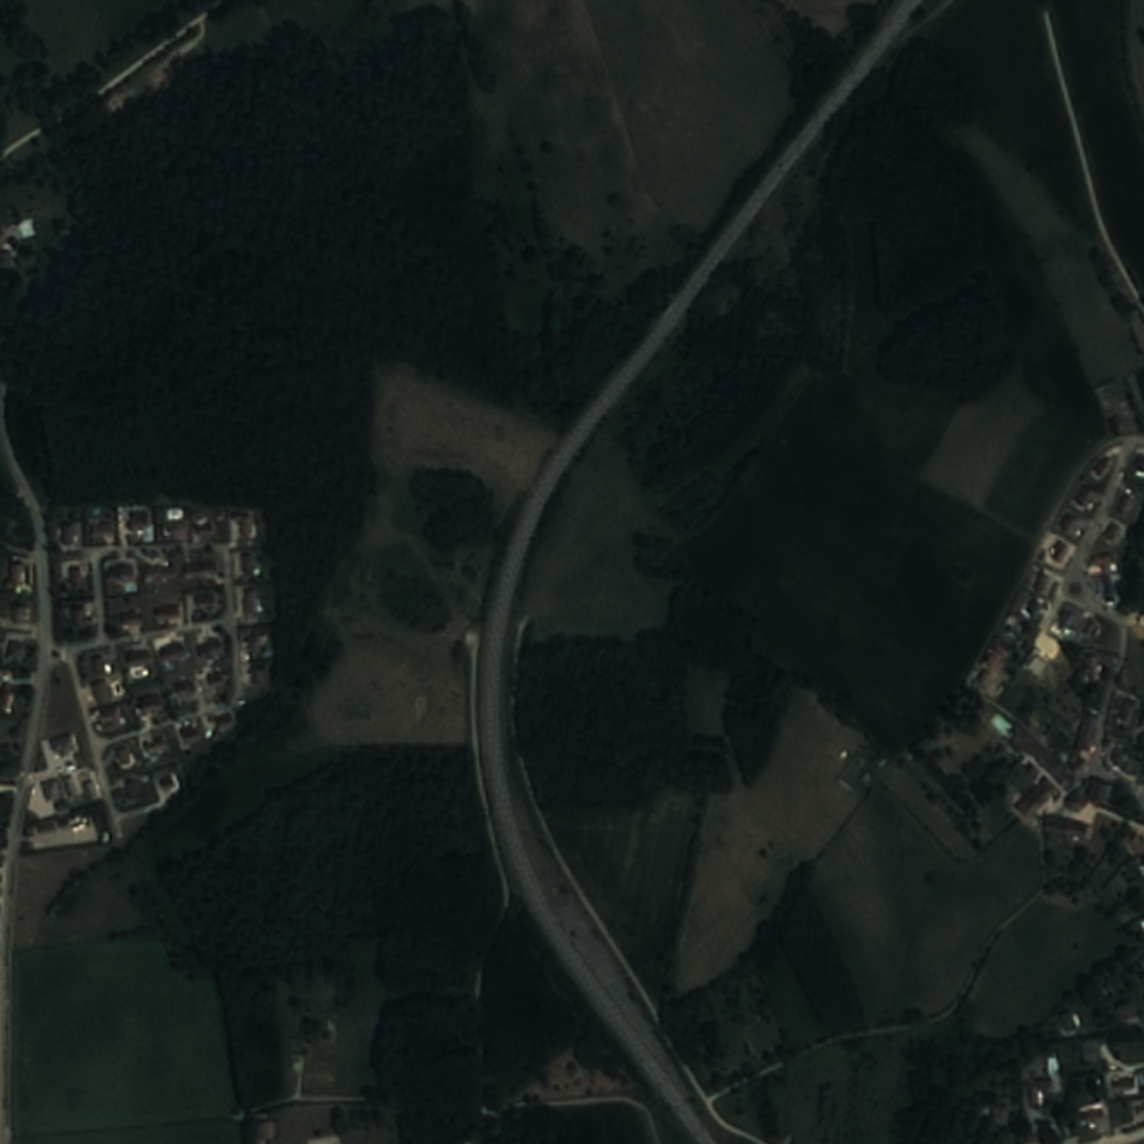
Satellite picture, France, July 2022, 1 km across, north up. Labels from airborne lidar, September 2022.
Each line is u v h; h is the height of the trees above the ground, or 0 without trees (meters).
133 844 6
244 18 0
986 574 0
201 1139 0
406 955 26
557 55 0
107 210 10
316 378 12
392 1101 23
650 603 0
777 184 0
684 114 0
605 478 0
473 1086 16
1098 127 0
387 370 0
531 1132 18
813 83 13
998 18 0
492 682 0
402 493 0
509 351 16
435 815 20
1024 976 0
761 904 0
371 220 14
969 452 0
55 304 29
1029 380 0
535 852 0
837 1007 18
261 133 22
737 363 10
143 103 10
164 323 11
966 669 0
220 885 8
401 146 22
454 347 13
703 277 0
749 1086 15
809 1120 0
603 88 0
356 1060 0
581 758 20
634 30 0
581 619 0
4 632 0
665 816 0
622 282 0
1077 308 0
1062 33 0
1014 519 0
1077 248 0
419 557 0
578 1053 9
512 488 0
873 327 0
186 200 28
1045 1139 16
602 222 0
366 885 6
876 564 0
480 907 14
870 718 0
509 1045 9
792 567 0
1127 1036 22
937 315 24
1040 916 0
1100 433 0
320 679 8
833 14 0
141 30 10
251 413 16
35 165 14
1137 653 0
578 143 0
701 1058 11
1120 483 0
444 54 23
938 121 20
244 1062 19
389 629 0
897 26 0
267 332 23
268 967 8
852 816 0
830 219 9
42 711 0
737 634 15
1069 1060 0
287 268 24
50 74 12
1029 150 0
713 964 0
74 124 19
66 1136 0
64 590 7
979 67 0
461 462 0
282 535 24
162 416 19
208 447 18
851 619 0
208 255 12
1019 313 0
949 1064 7
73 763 0
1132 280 8
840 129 8
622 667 21
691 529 11
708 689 0
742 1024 6
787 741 0
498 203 7
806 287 8
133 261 21
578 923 0
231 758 20
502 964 10
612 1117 0
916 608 0
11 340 24
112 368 10
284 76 24
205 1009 0
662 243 0
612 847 0
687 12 0
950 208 20
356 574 0
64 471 17
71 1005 0
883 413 0
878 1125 0
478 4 0
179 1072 0
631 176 0
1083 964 0
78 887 6
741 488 7
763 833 0
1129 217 0
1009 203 0
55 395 22
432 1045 14
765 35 0
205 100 32
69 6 0
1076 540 0
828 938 18
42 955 0
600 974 0
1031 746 0
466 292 24
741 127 0
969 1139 11
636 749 20
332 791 11
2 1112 0
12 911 0
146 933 6
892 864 0
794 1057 14
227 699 9
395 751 11
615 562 0
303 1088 0
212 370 22
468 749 9
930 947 0
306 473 13
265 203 27
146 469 16
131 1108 0
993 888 0
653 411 9
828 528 0
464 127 12
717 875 0
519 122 0
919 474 0
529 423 0
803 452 0
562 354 19
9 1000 0
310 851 8
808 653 0
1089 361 0
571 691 23
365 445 14
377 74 23
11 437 11
